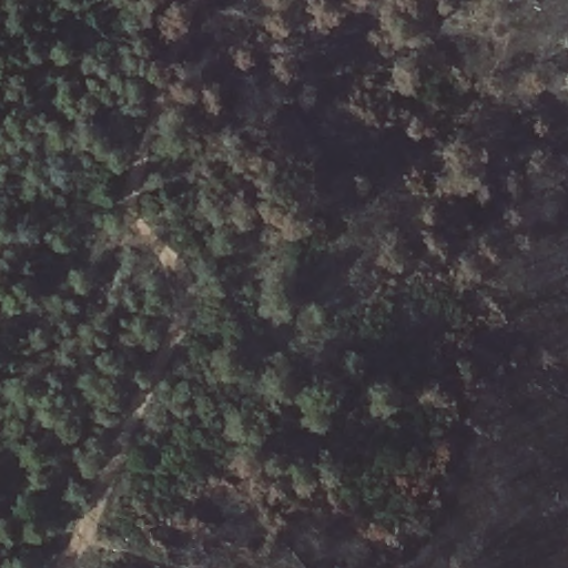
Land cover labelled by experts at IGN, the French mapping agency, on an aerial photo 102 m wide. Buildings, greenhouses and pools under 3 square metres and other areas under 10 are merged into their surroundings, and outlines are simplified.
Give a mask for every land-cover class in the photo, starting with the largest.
<instances>
[{"label":"coniferous trees","instance_id":"1","mask_svg":"<svg viewBox=\"0 0 568 568\"><path fill-rule=\"evenodd\" d=\"M444 0H0V568H58L60 559L71 550L69 544L75 524L84 517V513H89L100 499L107 504L95 533L104 539H118L122 552H133L160 564L169 555L160 541L153 539L151 528L166 524L182 533L197 530L200 521L195 519L193 499L211 497L215 488H224L231 495V499L240 504V513H246L251 506L257 510L260 524L266 530V541H275V535L282 530L284 519L291 513L308 510L317 517L322 515V508H326L328 504L335 513L348 515L353 519L357 535L384 541L386 546H397L402 533L422 537L426 528L419 526L415 517L417 495L426 493L430 477L442 475L446 470L448 446L444 433H448L450 422L457 417V404L446 402L439 395H433L430 391L424 393L415 404L402 402L395 395L393 371L366 366L362 353L371 342L382 339L384 326H391L406 313L413 322L428 313L437 315L439 320H446L453 328H459V304L470 282H479L481 273H486L488 268L513 264L515 257L528 253L537 244L535 224L548 222L559 211L557 202L561 193L568 189V184L564 180V166L555 162L552 120L546 113L533 115L528 126L530 146L526 151H513L493 144L490 140H477L462 133L466 129V122H479L481 107L490 95L477 91V38L464 33H444L442 29L444 20L437 4ZM75 568H118V552L91 548L84 552H75Z\"/></svg>","mask_w":568,"mask_h":568},{"label":"bare soil","instance_id":"2","mask_svg":"<svg viewBox=\"0 0 568 568\"><path fill-rule=\"evenodd\" d=\"M444 20L442 29L444 33H464L477 38V91L490 95L481 107L479 122H466V129L462 133L477 140H490L493 144L513 151H526L530 146L528 126L533 115L546 113L552 120L555 162L564 166V180L568 184V0H444L437 4ZM559 211L548 222L535 224L537 244L528 253L515 257L513 264L488 268L486 273H481L479 282H470L459 304V328H453L446 320H439L437 315L428 313L413 322L406 313L391 326H384L382 339L371 342L362 353L366 366L393 371L395 395L402 402L415 404L424 393L430 391L433 395H439L446 402L457 404V417L450 422L448 433H444L448 446L446 470L442 475L430 477L426 493L417 495L415 517L419 526L426 528L422 537L402 533L397 546H386L384 541L357 535L353 519L348 515L335 513L328 504L326 508H322V515L317 517L308 510L291 513L284 519L282 530L275 535V541H266V530L260 524L257 510L251 506L246 513H240V504L231 499V495L224 488H215L211 497L193 499L195 519L200 521L197 530L182 533L166 524L151 528L153 539L160 541L169 555L160 564L133 552H122L118 539H104L95 533L91 548L118 552V568H568V189L561 193L557 202Z\"/></svg>","mask_w":568,"mask_h":568},{"label":"pervious surface","instance_id":"3","mask_svg":"<svg viewBox=\"0 0 568 568\"><path fill-rule=\"evenodd\" d=\"M107 504L100 499L89 513H84V517L75 524L69 544L71 550L60 559L58 568H75V552H84L91 548L95 533Z\"/></svg>","mask_w":568,"mask_h":568}]
</instances>
